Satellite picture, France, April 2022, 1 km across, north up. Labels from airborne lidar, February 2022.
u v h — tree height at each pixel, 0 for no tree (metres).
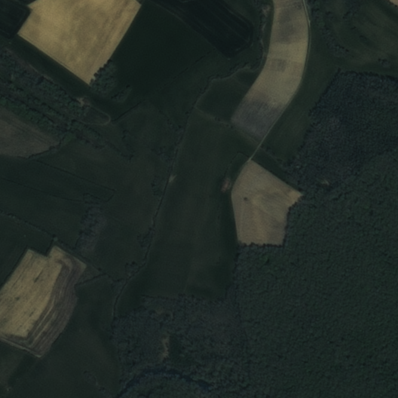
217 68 0
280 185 0
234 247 0
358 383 22
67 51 0
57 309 0
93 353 0
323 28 14
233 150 0
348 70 0
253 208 0
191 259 0
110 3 0
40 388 0
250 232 0
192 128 0
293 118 0
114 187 0
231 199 0
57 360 0
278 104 0
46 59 0
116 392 0
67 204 0
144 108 0
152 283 0
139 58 0
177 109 0
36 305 0
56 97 28
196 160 0
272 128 0
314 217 21
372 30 0
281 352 24
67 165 0
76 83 0
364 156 21
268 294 25
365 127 20
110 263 0
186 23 0
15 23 0
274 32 0
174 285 0
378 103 22
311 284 24
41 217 0
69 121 14
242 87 0
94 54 0
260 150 0
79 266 0
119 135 0
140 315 15
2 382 0
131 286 0
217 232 0
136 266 15
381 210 28
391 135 15
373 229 23
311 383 21
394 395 22
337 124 15
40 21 0
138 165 0
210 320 15
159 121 0
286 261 22
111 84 12
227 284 0
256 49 0
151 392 12
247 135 0
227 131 0
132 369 13
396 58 0
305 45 0
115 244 0
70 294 0
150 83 0
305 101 0
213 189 0
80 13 0
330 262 17
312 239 22
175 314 13
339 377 25
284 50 0
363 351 24
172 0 0
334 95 18
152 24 0
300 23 0
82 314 0
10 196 0
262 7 11
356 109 18
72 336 0
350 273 22
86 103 0
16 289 0
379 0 0
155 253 0
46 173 0
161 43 0
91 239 20
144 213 0
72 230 0
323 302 23
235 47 0
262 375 25
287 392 25
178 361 7
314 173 21
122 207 0
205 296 0
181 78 0
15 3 0
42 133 0
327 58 0
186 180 0
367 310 22
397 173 23
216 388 25
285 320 23
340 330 24
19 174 0
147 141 0
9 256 0
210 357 15
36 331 0
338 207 29
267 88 0
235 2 0
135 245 0
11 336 0
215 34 0
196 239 0
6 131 0
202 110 0
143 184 0
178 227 0
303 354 23
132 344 26
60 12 0
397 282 24
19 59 0
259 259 24
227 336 18
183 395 26
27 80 28
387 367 26
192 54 0
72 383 0
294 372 21
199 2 0
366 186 28
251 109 0
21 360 0
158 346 23
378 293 23
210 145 0
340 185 18
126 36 0
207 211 0
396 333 23
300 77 0
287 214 0
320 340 21
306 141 17
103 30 0
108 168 0
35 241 0
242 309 20
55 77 0
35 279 0
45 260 0
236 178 0
